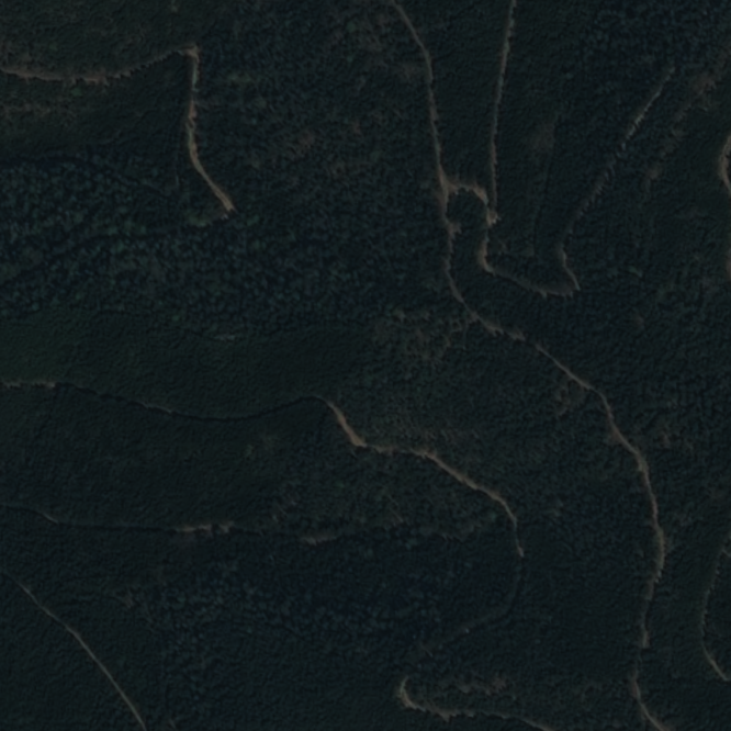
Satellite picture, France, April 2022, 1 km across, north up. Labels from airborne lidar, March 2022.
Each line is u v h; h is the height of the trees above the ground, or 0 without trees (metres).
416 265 11
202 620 12
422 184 14
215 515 21
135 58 10
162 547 27
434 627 20
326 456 23
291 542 18
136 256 27
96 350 24
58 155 15
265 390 21
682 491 20
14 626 16
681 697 19
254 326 23
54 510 22
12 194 24
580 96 14
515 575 16
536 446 16
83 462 17
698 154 13
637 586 14
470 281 18
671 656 16
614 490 11
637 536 16
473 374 20
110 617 20
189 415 15
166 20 6
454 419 24
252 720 15
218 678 17
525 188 19
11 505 16
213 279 36
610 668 9
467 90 15
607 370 20
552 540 9
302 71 23
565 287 19
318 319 16
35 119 12
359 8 9
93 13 7
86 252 30
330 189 16
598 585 7
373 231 25
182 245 31
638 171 12
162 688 27
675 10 20
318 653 15
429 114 13
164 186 17
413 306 9
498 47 11
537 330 17
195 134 27
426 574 13
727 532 10
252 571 13
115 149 12
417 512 21
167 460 19
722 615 18
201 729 15
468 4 9
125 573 20
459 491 23
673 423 26
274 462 18
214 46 7
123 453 18
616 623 12
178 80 7
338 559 17
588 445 11
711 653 19
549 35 19
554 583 12
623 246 12
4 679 14
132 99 8
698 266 21
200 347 19
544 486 25
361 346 20
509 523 9
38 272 13
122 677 23
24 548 27
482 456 21
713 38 9
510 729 12
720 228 18
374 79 8
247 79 25
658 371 15
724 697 19
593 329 20
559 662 13
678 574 16
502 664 11
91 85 8
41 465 21
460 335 8
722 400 26
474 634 14
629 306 16
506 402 19
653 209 8
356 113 7
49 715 12
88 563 21
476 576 14
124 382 18
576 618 10
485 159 14
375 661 19
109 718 17
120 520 18
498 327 10
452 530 16
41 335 21
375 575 13
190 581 20
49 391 15
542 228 18
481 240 10
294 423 23
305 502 29
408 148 12
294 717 10
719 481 12
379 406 18
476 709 12
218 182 13
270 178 7
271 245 22
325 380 17
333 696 14
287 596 12
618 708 12
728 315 21
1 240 12
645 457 10
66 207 8
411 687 11
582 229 12
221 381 14
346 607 8
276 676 12
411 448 20
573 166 13
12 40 6
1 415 16
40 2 7
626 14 31
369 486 29
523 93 18
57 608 25
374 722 11
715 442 11
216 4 9
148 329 20
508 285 19
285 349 23
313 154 8
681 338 16
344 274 31
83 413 19
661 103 9
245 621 11
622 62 14
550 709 10
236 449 17
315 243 13
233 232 6
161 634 13
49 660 18
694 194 15
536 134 20
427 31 17
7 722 14
